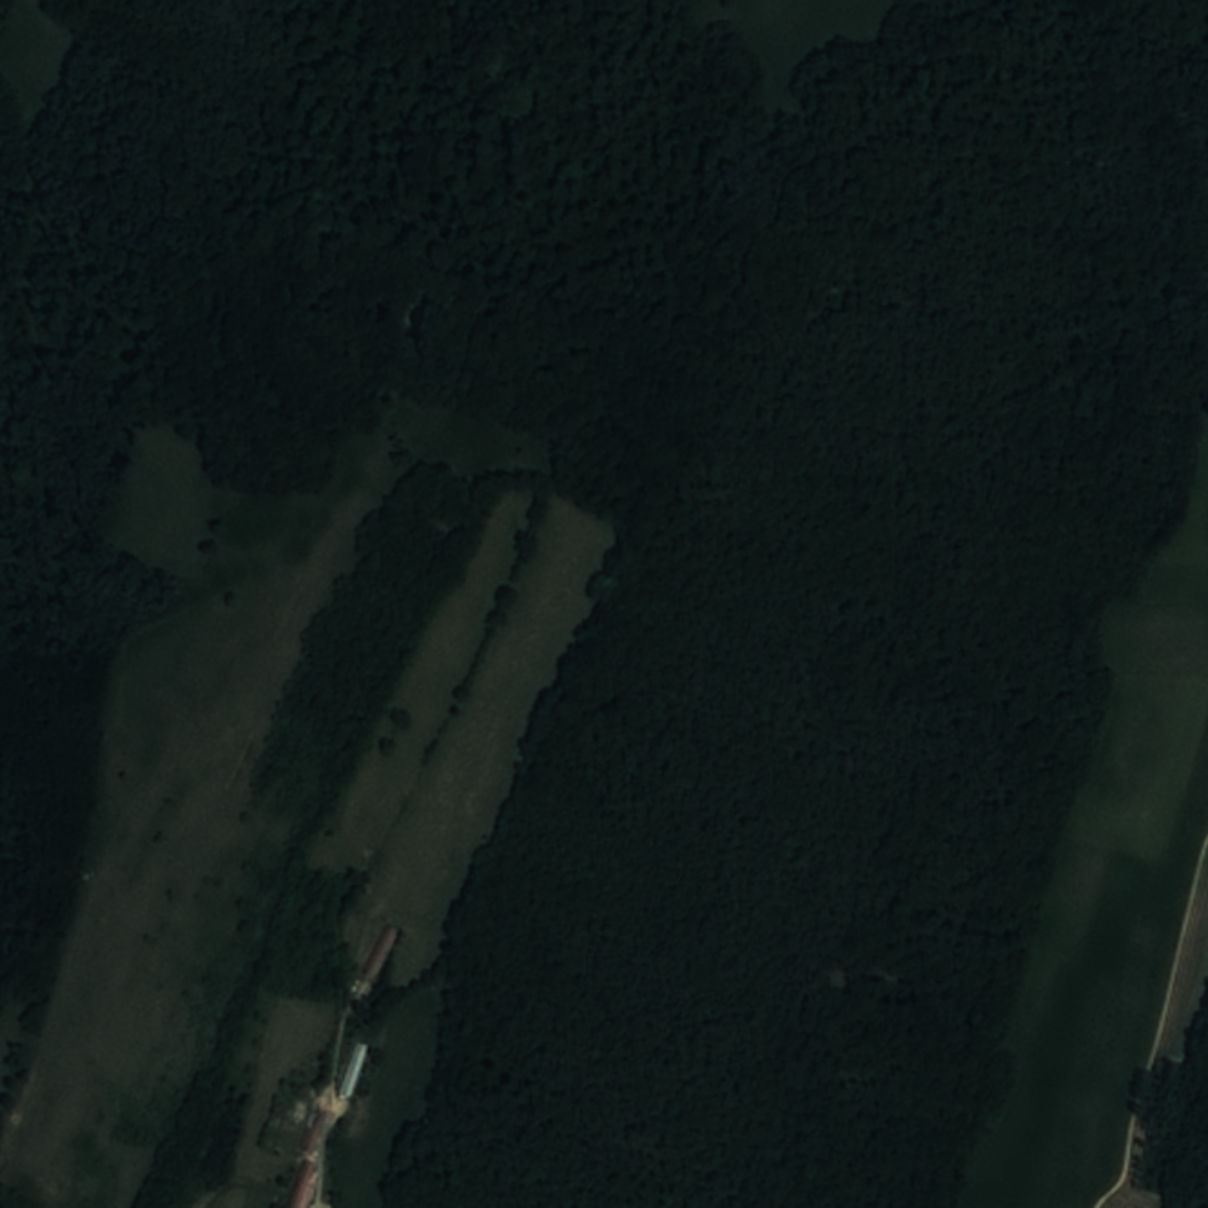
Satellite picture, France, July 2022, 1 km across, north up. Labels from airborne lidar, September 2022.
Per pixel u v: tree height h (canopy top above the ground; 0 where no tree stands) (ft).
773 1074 55
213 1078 47
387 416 71
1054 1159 0
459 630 0
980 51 72
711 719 47
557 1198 62
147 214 57
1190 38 73
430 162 90
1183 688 0
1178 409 62
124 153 57
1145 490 92
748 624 34
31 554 51
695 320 86
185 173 65
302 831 21
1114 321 98
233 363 79
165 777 0
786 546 35
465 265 43
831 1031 78
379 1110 0
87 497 99
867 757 63
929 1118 63
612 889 32
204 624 0
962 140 60
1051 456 83
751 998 52
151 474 0
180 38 22
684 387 89
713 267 85
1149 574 42
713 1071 64
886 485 79
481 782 0
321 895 52
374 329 109
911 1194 67
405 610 41
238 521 0
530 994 58
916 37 49
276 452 82
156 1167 27
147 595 76
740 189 90
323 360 87
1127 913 0
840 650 71
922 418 26
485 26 83
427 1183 60
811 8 0
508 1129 76
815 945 54
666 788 61
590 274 79
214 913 0
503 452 0
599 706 47
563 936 53
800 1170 58
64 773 33
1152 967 0
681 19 34
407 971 0
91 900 0
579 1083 49
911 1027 84
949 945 66
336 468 50
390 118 70
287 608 0
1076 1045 0
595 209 70
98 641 39
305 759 22
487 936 63
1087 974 0
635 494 86
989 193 32
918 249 59
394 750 50
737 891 49
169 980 0
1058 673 66
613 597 79
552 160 62
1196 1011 0
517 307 97
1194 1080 49
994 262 48
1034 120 56
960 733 73
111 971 0
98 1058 0
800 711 52
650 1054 41
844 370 55
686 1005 55
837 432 68
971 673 67
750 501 56
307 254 106
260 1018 23
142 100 52
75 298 64
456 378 77
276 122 83
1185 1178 58
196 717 0
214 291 84
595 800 31
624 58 72
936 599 55
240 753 0
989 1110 68
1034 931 34
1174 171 89
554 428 85
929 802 79
